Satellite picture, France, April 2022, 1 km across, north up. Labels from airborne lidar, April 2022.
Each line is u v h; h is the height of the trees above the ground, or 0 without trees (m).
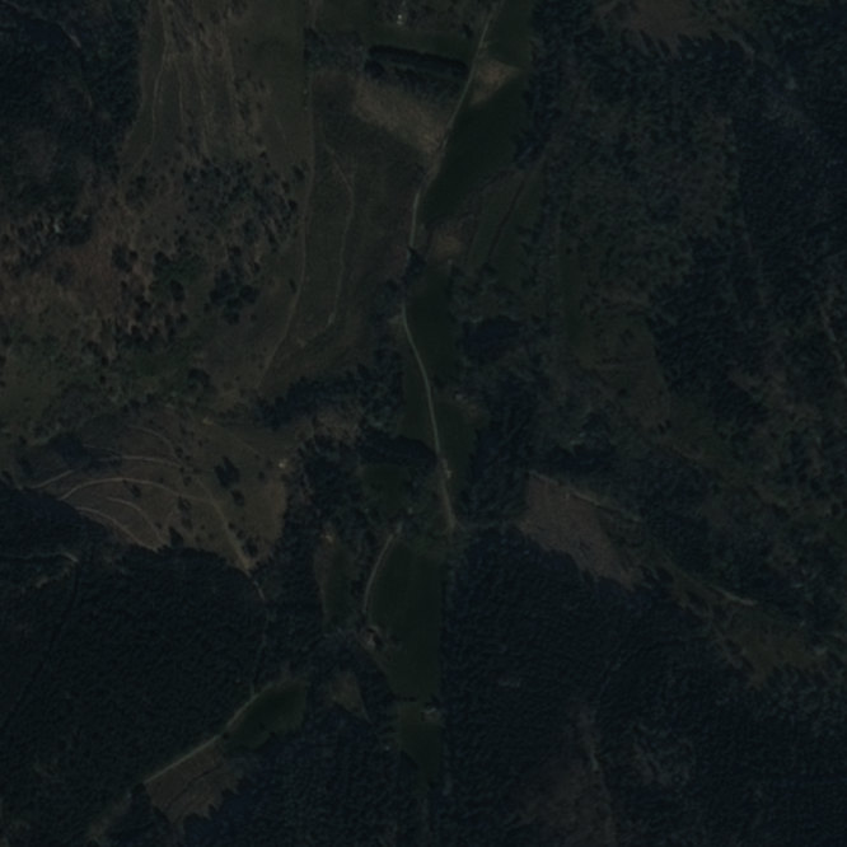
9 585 13
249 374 0
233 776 0
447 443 0
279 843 26
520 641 20
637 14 20
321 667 27
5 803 13
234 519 0
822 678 0
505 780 36
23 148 11
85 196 12
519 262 0
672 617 23
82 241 16
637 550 11
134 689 23
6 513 25
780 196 21
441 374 0
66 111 20
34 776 28
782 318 22
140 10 19
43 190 13
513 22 0
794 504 19
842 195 23
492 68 0
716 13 22
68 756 29
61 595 13
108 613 26
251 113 18
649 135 7
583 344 0
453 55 0
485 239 0
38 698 28
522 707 20
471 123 0
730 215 9
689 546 29
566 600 21
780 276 15
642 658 21
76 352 15
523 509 21
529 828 8
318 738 29
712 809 19
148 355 16
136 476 0
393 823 20
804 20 13
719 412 17
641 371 0
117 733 29
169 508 0
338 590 0
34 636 15
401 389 10
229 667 26
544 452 22
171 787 0
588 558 15
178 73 0
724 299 7
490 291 9
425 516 25
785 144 25
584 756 14
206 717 27
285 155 0
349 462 34
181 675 29
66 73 23
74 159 19
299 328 0
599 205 6
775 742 24
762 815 27
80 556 11
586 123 10
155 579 16
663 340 13
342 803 27
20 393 0
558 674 20
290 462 0
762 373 17
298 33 0
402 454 26
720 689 19
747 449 21
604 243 8
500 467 30
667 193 9
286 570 25
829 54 18
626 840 6
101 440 0
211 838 33
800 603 26
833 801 24
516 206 0
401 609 0
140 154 0
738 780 26
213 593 21
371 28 0
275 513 0
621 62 11
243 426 0
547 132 12
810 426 7
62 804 27
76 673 27
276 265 0
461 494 0
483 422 0
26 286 12
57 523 22
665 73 14
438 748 0
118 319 10
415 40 0
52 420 11
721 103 14
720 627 8
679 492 29
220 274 7
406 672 0
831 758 22
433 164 0
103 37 22
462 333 19
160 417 0
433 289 0
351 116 6
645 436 22
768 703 20
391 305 27
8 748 27
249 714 0
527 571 25
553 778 15
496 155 0
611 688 18
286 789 30
